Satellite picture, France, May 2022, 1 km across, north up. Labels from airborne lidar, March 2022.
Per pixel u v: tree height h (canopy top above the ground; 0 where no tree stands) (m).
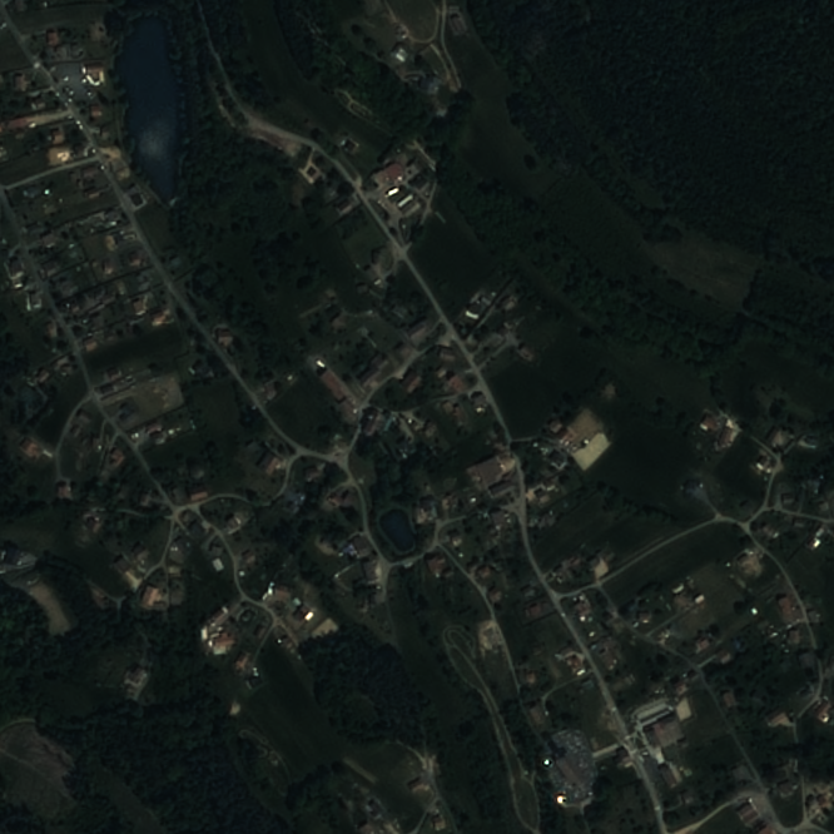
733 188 16
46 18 0
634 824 7
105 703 0
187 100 28
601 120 16
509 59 22
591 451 0
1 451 6
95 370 0
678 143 17
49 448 0
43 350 0
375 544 0
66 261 0
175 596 0
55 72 0
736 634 0
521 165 0
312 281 12
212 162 23
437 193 0
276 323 0
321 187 10
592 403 0
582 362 0
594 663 0
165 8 29
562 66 16
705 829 0
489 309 10
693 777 0
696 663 0
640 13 18
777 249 28
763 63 15
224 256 0
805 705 0
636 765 0
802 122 21
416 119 22
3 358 16
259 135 0
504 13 28
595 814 18
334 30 17
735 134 17
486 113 0
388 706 28
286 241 31
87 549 0
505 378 0
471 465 0
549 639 0
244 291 0
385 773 0
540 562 0
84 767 25
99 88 0
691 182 11
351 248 0
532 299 6
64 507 11
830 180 14
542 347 0
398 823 0
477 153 0
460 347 0
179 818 30
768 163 15
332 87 14
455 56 0
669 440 0
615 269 0
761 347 0
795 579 0
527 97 13
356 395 0
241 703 0
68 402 0
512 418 0
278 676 0
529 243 17
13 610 22
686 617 0
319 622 0
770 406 0
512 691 0
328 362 0
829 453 0
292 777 0
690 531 0
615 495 18
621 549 0
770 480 0
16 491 0
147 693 0
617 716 0
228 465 17
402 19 0
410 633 0
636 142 23
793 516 0
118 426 0
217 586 0
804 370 0
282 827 28
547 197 0
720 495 0
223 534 0
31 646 11
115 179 0
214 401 0
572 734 0
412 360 0
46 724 7
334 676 17
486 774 19
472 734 18
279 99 7
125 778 9
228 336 0
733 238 8
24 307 0
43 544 0
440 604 0
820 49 11
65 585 17
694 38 18
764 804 0
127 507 6
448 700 0
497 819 18
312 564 11
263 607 0
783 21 21
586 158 21
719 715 0
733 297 0
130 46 0
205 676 11
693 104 17
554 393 0
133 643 15
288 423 0
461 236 0
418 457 12
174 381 0
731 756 0
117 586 0
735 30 18
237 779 30
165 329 0
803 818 0
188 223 19
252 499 16
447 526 0
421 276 0
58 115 0
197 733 24
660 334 21
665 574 0
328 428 8
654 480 0
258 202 24
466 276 0
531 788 0
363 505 0
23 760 0
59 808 0
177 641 10
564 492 0
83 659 7
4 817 19
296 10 12
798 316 14
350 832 0
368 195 0
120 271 0
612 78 10
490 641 0
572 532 0
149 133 0
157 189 0
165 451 0
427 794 0
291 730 0
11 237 0
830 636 0
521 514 0
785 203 13
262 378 8
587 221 0
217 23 23
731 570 0
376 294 0
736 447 0
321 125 0
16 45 0
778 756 6
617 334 16
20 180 0
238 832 28
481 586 0
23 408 13
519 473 0
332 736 0
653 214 14
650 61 12
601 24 14
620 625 0
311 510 14
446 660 16
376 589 8
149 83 0
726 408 15
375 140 0
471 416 0
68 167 0
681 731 0
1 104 6
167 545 0
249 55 0
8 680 22
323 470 0
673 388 0
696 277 0
